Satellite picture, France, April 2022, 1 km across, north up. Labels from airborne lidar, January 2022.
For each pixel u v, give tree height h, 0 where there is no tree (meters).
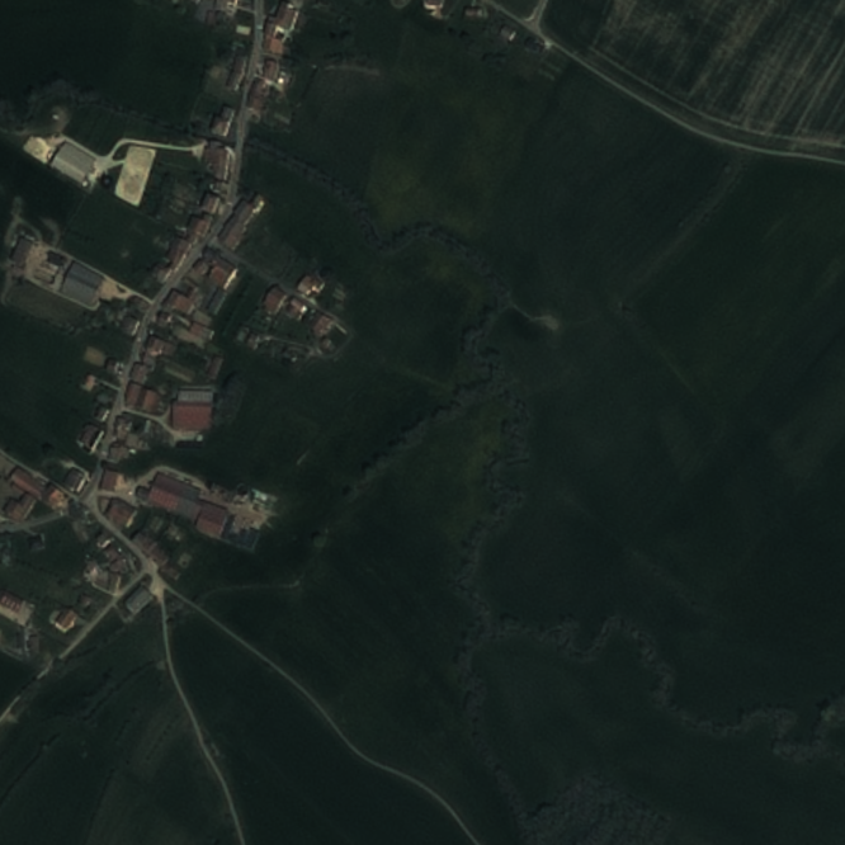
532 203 0
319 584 0
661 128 0
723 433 0
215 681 0
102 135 0
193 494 0
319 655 0
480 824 0
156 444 0
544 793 0
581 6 0
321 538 11
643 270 0
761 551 0
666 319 0
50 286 0
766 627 0
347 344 0
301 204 0
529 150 0
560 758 0
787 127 0
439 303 0
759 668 0
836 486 0
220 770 0
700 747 0
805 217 0
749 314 0
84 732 0
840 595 0
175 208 0
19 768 0
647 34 0
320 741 0
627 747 0
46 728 0
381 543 0
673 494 0
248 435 0
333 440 0
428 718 0
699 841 0
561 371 0
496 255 0
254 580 0
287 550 0
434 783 0
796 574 0
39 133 0
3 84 0
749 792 0
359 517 0
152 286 0
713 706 0
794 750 22
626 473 0
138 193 0
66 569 0
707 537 0
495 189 0
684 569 0
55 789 0
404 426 0
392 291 0
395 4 0
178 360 0
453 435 0
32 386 0
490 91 0
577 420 0
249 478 0
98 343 0
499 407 0
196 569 0
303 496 0
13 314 0
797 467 0
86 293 0
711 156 0
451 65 0
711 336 0
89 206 0
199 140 11
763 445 0
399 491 0
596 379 0
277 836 0
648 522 0
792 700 0
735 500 0
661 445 0
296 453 0
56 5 0
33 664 0
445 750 0
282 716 0
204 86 6
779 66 0
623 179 0
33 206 0
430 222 0
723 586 0
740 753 0
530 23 0
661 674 15
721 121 0
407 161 0
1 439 0
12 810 0
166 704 0
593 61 0
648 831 19
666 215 0
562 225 0
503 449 0
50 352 0
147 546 0
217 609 0
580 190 0
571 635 13
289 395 0
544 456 0
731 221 0
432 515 0
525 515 0
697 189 0
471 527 0
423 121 0
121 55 0
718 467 0
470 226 0
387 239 0
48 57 0
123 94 0
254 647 0
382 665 0
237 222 0
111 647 0
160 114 0
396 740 0
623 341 0
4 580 0
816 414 0
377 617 0
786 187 0
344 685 0
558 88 0
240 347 0
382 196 0
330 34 0
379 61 0
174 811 0
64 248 0
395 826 0
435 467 0
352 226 0
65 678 9
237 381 14
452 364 0
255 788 0
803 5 0
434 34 0
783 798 0
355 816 0
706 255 0
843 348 0
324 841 0
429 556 0
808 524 0
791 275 0
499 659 0
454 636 0
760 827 0
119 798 0
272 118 0
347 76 0
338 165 0
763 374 0
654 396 0
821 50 0
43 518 0
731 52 0
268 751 0
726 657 0
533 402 0
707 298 0
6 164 0
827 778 0
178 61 0
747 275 0
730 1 0
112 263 0
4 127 0
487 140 0
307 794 0
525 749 0
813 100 0
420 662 0
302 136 0
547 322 0
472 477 0
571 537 0
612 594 0
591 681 0
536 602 0
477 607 17
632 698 0
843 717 19
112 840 0
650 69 0
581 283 0
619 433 0
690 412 0
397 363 0
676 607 0
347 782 0
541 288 0
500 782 14
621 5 0
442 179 0
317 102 0
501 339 0
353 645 0
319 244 0
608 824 19
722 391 0
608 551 0
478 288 0
